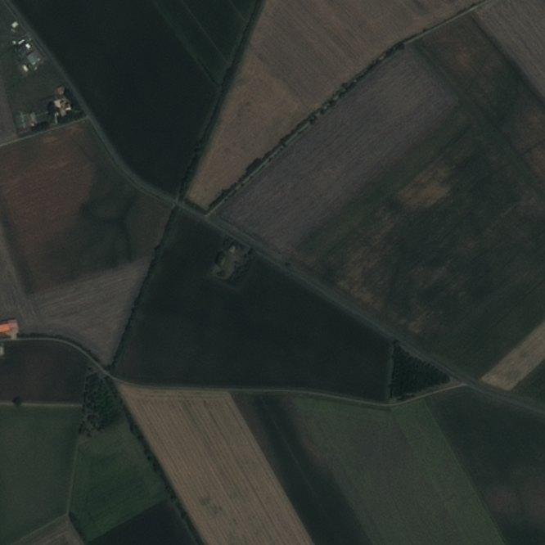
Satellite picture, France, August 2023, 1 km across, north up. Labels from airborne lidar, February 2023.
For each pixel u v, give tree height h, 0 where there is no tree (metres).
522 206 0
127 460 0
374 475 0
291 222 0
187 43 0
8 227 0
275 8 0
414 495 0
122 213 0
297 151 0
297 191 0
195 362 0
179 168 0
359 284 0
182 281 0
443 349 0
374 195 0
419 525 0
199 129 0
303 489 0
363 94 0
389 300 0
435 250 0
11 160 0
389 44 0
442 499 0
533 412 0
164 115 0
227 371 0
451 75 0
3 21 0
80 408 0
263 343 0
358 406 0
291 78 0
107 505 0
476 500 0
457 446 0
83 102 0
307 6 0
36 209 0
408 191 0
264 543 0
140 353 0
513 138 0
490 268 0
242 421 0
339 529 0
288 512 0
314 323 0
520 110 0
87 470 0
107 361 0
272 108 0
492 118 0
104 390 8
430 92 0
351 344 0
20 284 0
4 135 0
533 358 0
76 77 0
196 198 0
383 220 0
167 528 0
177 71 0
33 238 0
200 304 0
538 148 0
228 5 0
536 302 0
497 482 0
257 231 0
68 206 0
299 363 0
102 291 0
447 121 0
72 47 0
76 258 0
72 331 0
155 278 0
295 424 0
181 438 0
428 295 0
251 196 0
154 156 0
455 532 0
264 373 0
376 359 0
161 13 0
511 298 0
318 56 0
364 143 0
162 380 0
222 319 0
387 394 0
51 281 0
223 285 0
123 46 0
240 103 0
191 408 0
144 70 0
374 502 0
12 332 0
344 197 0
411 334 0
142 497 0
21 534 0
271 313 0
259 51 0
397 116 0
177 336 0
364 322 0
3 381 0
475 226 0
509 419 0
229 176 0
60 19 0
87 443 0
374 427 0
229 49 0
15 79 0
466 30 0
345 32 0
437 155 0
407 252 0
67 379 0
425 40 0
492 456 0
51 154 0
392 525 0
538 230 0
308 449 0
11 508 0
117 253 0
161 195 0
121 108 0
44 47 0
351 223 0
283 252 0
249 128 0
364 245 0
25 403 0
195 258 0
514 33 0
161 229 0
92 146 0
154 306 0
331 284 0
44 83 0
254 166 10
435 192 0
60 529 0
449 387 0
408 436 0
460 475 0
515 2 0
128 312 0
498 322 0
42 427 0
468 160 0
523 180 0
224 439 0
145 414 0
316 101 0
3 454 0
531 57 0
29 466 0
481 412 0
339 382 0
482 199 0
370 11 0
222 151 0
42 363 0
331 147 0
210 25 0
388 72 0
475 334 0
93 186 0
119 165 0
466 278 0
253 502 0
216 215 0
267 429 0
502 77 0
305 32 0
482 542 0
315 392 0
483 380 0
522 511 0
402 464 0
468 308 0
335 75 0
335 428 0
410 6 0
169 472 0
